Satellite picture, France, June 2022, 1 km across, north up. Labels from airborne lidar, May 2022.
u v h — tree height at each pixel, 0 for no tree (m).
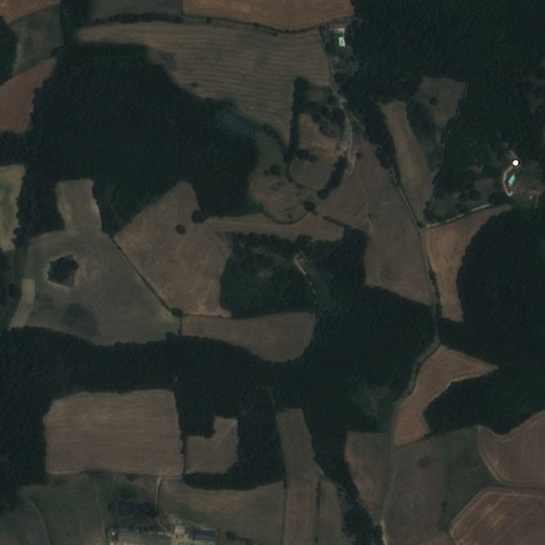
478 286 18
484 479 0
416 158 0
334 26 0
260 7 0
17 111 0
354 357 15
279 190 0
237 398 11
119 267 0
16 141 19
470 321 19
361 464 0
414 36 17
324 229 0
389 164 14
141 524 0
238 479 13
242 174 14
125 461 0
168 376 11
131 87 12
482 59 16
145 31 0
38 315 0
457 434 0
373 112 16
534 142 22
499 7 19
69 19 18
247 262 10
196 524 0
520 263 18
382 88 17
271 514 0
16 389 23
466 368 0
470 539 0
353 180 0
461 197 14
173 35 0
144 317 0
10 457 6
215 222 0
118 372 12
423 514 0
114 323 0
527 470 0
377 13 17
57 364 14
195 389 10
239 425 11
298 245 11
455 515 0
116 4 0
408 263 0
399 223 0
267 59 0
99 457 0
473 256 19
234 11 0
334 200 0
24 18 0
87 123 12
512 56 17
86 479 0
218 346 14
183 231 14
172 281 0
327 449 19
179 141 13
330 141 0
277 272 14
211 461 0
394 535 0
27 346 23
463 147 12
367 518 13
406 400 0
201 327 0
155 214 0
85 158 16
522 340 15
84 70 18
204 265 0
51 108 18
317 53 0
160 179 17
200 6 0
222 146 14
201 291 0
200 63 0
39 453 21
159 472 0
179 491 0
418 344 13
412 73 13
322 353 14
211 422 17
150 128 16
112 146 14
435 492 0
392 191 0
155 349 15
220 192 14
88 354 15
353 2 12
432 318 7
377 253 0
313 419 14
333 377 12
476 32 16
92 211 0
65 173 16
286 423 0
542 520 0
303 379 14
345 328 17
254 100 0
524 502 0
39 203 19
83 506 0
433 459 0
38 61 0
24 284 0
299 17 0
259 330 0
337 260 17
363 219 0
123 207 14
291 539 0
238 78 0
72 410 0
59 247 0
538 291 20
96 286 0
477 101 16
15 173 0
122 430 0
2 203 0
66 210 0
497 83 18
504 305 20
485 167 8
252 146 21
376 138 23
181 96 30
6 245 0
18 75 0
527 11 19
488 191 0
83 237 0
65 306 0
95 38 0
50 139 19
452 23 12
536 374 15
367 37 19
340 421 13
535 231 16
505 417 15
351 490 15
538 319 17
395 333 10
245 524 0
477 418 18
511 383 14
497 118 19
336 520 0
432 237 0
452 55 14
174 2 0
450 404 16
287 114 0
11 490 17
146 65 13
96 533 0
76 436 0
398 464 0
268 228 0
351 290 14
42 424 14
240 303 6
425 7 16
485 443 0
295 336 0
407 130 0
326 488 0
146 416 0
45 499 0
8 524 0
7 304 24
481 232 10
